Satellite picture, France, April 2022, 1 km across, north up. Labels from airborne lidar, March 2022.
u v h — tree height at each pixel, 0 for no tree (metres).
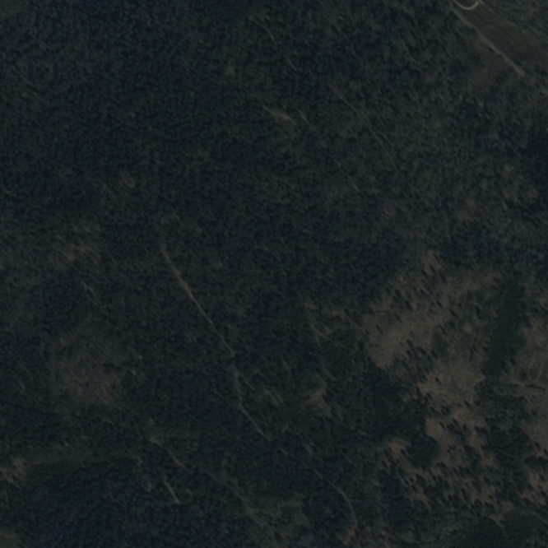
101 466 19
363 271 29
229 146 28
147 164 23
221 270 27
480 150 23
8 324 23
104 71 26
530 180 24
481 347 0
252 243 24
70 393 25
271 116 16
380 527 29
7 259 27
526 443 15
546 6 28
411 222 22
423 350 0
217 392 29
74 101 21
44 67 25
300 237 28
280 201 28
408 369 21
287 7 29
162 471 34
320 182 12
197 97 24
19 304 28
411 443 12
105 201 33
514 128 27
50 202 26
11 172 30
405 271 21
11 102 26
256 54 25
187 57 23
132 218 23
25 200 32
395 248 24
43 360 30
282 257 19
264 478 31
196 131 21
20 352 30
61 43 23
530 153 10
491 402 11
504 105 32
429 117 21
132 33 29
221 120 25
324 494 35
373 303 23
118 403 27
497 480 17
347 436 23
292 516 7
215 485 33
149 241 25
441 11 34
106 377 24
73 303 32
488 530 10
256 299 27
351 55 32
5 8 34
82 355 25
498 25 0
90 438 30
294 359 31
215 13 29
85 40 25
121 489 30
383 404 16
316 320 29
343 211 20
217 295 29
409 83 21
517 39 0
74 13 33
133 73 27
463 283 16
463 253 24
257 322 27
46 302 24
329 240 30
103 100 15
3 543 0
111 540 34
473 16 0
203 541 28
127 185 28
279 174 27
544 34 33
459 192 25
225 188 22
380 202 21
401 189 25
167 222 28
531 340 0
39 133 30
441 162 26
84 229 27
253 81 18
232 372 25
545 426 0
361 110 27
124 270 26
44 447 26
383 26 27
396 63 21
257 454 26
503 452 20
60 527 29
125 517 32
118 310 23
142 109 17
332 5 33
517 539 9
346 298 23
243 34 23
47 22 33
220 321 27
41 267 25
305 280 11
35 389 29
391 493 21
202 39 24
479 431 9
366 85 29
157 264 26
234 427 28
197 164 25
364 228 23
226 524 22
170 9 32
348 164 25
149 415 16
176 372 26
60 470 22
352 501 20
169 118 30
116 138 30
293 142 14
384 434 14
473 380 0
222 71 8
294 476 29
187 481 33
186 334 30
